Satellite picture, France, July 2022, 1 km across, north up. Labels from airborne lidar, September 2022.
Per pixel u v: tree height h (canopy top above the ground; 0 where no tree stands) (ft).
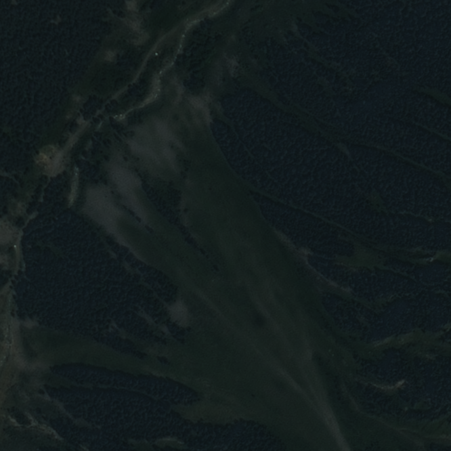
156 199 76
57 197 86
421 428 0
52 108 111
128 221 0
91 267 93
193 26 0
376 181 68
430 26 85
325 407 0
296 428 0
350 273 27
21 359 0
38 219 63
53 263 82
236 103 74
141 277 63
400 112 73
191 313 0
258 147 96
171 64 0
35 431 0
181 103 0
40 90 100
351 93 30
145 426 70
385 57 56
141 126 0
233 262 0
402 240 47
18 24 92
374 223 65
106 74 25
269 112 85
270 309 0
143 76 20
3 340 0
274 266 0
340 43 77
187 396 63
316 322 0
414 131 67
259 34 0
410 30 87
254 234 0
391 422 0
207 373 0
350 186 96
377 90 48
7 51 97
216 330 0
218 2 0
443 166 74
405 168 67
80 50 93
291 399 0
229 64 0
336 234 44
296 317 0
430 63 68
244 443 23
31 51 108
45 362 0
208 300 0
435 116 94
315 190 95
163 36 0
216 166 0
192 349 0
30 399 0
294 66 96
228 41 0
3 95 91
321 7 0
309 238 93
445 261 0
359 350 0
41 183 24
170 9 0
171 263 0
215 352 0
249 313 0
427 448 0
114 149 0
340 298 66
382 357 0
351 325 32
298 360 0
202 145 0
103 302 55
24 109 63
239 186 0
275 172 73
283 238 0
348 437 0
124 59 48
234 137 88
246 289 0
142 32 0
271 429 0
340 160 80
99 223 0
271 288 0
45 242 66
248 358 0
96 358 0
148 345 0
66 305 103
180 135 0
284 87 46
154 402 89
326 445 0
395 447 0
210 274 0
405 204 51
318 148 105
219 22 0
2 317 0
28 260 63
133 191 0
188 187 0
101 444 73
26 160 81
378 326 68
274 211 76
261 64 0
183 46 0
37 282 85
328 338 0
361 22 64
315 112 64
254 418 0
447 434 0
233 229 0
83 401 112
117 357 0
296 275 0
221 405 0
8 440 0
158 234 0
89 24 114
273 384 0
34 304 76
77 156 21
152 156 0
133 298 74
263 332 0
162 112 0
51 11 105
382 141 53
